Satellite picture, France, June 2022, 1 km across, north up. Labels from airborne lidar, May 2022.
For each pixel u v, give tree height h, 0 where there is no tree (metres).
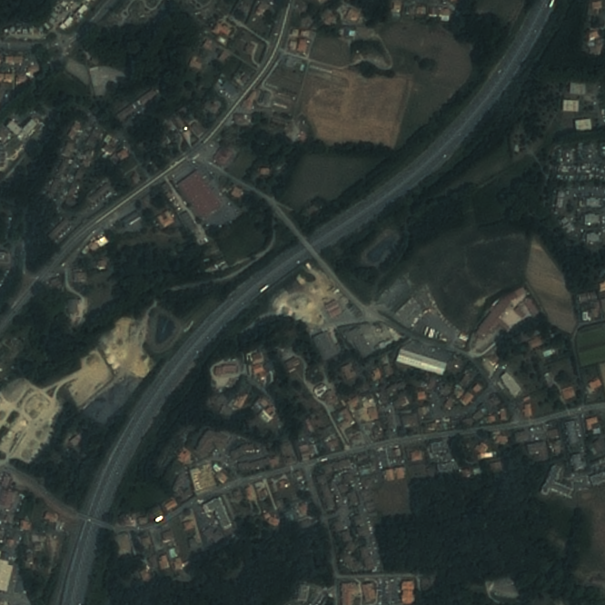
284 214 0
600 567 0
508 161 0
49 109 0
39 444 0
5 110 27
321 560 16
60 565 6
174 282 14
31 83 26
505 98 9
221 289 13
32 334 8
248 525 17
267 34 7
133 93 9
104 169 10
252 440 15
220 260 7
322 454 7
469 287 0
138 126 16
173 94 28
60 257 0
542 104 13
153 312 10
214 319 0
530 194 30
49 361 8
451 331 0
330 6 11
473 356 0
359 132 0
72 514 0
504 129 8
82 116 10
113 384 0
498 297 9
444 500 26
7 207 12
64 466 15
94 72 0
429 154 0
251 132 7
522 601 20
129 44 29
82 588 0
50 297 7
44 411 0
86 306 0
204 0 0
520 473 24
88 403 0
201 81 14
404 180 0
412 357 0
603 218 0
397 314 0
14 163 0
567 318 0
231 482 0
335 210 7
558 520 0
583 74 28
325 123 0
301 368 0
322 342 0
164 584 24
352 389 6
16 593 0
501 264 0
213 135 0
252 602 29
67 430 22
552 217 21
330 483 6
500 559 22
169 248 8
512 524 26
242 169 0
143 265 27
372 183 6
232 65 0
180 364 0
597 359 0
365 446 0
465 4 26
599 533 0
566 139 27
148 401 0
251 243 0
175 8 27
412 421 0
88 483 6
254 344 20
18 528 9
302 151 18
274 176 10
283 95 0
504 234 0
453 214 22
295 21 0
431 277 0
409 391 8
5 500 0
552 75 25
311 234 12
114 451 0
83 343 8
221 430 15
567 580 24
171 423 8
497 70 0
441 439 6
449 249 0
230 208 0
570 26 11
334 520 5
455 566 24
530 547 26
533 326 16
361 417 0
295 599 6
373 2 22
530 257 0
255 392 9
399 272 0
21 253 13
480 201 0
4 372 0
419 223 12
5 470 0
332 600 9
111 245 13
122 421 15
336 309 0
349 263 10
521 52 0
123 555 7
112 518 8
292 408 9
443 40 0
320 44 0
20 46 0
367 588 0
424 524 28
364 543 8
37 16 31
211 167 0
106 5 0
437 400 0
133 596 24
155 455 9
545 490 0
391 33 0
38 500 9
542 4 0
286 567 25
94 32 26
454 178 13
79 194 8
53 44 0
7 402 0
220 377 0
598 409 0
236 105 0
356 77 0
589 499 0
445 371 11
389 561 21
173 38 9
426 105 0
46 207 19
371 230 8
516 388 0
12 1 22
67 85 0
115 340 0
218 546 17
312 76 0
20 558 10
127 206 0
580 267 22
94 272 7
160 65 16
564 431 5
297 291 0
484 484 17
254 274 7
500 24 18
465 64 0
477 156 16
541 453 0
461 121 0
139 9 0
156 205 20
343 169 0
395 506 0
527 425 0
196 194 0
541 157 7
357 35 0
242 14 19
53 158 21
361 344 0
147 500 0
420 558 24
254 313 9
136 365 0
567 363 0
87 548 0
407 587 0
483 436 20
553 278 0
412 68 0
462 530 24
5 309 19
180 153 15
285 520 14
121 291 14
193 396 10
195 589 22
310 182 0
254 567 27
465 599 31
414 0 0
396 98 0
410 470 0
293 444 7
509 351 10
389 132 0
